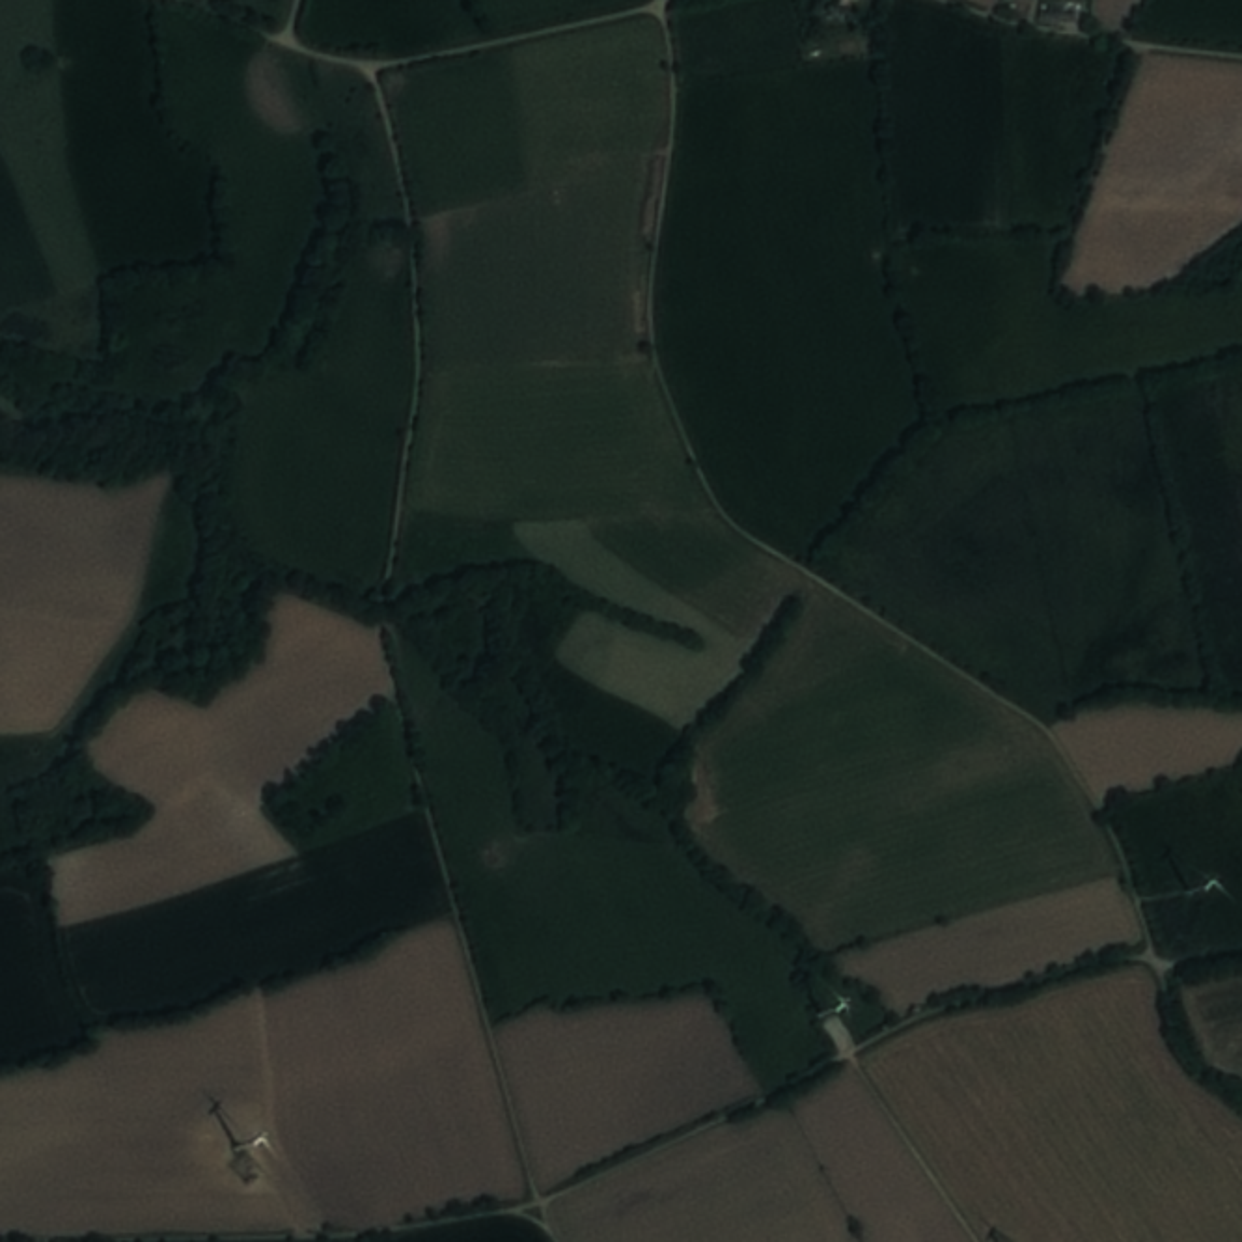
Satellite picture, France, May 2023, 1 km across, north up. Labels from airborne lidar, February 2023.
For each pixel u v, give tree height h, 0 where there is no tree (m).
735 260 0
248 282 0
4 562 0
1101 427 0
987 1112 0
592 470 0
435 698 0
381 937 9
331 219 22
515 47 0
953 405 0
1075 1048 0
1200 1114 0
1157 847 0
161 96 6
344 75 0
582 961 0
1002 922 0
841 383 0
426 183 0
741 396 0
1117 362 0
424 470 0
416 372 0
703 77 0
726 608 0
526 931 0
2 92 0
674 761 14
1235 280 8
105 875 0
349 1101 0
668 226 0
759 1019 0
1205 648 8
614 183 0
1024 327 0
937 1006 10
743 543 0
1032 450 0
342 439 0
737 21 0
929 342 0
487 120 0
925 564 0
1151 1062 0
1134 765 0
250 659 17
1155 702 14
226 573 18
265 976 0
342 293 12
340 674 0
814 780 0
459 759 0
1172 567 0
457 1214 15
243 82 0
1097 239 0
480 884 0
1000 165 0
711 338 0
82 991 0
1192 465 0
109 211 0
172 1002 0
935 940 0
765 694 0
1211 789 0
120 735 0
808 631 0
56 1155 0
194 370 0
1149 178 0
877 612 7
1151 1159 0
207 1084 0
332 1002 0
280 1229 0
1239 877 0
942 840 0
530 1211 0
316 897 0
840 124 0
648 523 0
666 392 0
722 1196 0
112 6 0
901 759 0
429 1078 0
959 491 0
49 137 0
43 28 0
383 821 0
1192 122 0
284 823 15
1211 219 0
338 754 14
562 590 15
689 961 0
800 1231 0
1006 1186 0
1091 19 10
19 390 8
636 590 0
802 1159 0
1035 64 0
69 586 0
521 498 0
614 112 0
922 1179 0
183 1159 0
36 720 0
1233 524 0
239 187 0
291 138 0
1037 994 10
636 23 0
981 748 0
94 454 18
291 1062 0
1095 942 0
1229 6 0
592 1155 0
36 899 0
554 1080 0
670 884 0
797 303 0
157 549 0
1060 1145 0
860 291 0
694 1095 0
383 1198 0
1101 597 0
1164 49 0
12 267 0
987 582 0
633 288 0
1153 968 0
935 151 0
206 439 14
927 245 17
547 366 0
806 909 0
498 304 0
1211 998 0
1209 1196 0
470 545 0
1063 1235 0
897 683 0
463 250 0
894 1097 0
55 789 13
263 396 0
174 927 0
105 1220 0
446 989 0
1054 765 0
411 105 0
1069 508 0
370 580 0
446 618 10
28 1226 0
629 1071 0
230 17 12
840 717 0
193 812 0
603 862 0
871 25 10
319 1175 0
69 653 0
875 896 0
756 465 0
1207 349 0
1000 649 0
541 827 0
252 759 0
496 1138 0
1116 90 13
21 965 0
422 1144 0
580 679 0
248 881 0
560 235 0
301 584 15
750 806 0
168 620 16
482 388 0
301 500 0
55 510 0
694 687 0
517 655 11
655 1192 0
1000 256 0
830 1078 9
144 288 16
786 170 0
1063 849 0
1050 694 0
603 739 0
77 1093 0
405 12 0
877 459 0
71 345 0
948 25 0
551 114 0
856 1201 0
